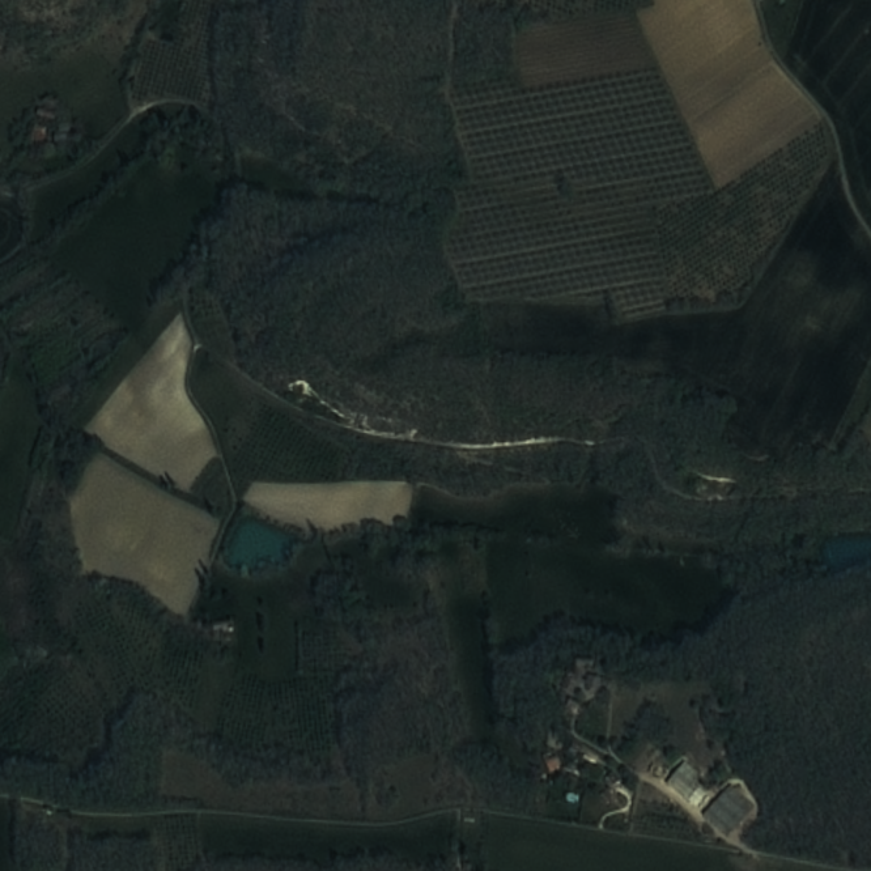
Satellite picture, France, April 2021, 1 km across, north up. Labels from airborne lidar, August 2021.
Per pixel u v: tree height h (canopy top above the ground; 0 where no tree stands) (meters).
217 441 0
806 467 7
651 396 12
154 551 0
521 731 23
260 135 21
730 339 0
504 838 0
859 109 0
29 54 10
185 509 0
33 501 7
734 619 23
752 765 16
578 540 0
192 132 6
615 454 27
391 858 19
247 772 11
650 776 0
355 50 14
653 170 9
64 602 0
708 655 18
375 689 8
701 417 19
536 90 7
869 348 0
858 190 0
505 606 0
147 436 0
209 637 11
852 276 0
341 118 10
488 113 10
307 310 9
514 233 11
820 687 12
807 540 13
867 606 13
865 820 19
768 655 16
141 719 14
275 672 0
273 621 0
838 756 20
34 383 20
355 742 18
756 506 15
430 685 7
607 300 13
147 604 15
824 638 13
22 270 6
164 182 0
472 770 15
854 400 0
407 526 15
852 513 21
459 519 0
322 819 0
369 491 0
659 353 0
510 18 14
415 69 13
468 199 9
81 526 0
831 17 0
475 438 0
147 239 0
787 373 0
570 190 21
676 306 15
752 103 0
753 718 13
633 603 0
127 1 16
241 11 12
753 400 0
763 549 21
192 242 6
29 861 16
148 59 6
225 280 15
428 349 15
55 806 10
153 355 0
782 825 16
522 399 8
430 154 13
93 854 18
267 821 0
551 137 10
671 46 0
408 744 15
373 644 19
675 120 6
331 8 13
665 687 15
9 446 0
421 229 21
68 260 0
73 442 17
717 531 19
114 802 21
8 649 7
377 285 14
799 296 0
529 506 0
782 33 0
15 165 9
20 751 6
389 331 10
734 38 0
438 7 18
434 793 0
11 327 10
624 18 0
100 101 0
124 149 0
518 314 0
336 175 15
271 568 14
